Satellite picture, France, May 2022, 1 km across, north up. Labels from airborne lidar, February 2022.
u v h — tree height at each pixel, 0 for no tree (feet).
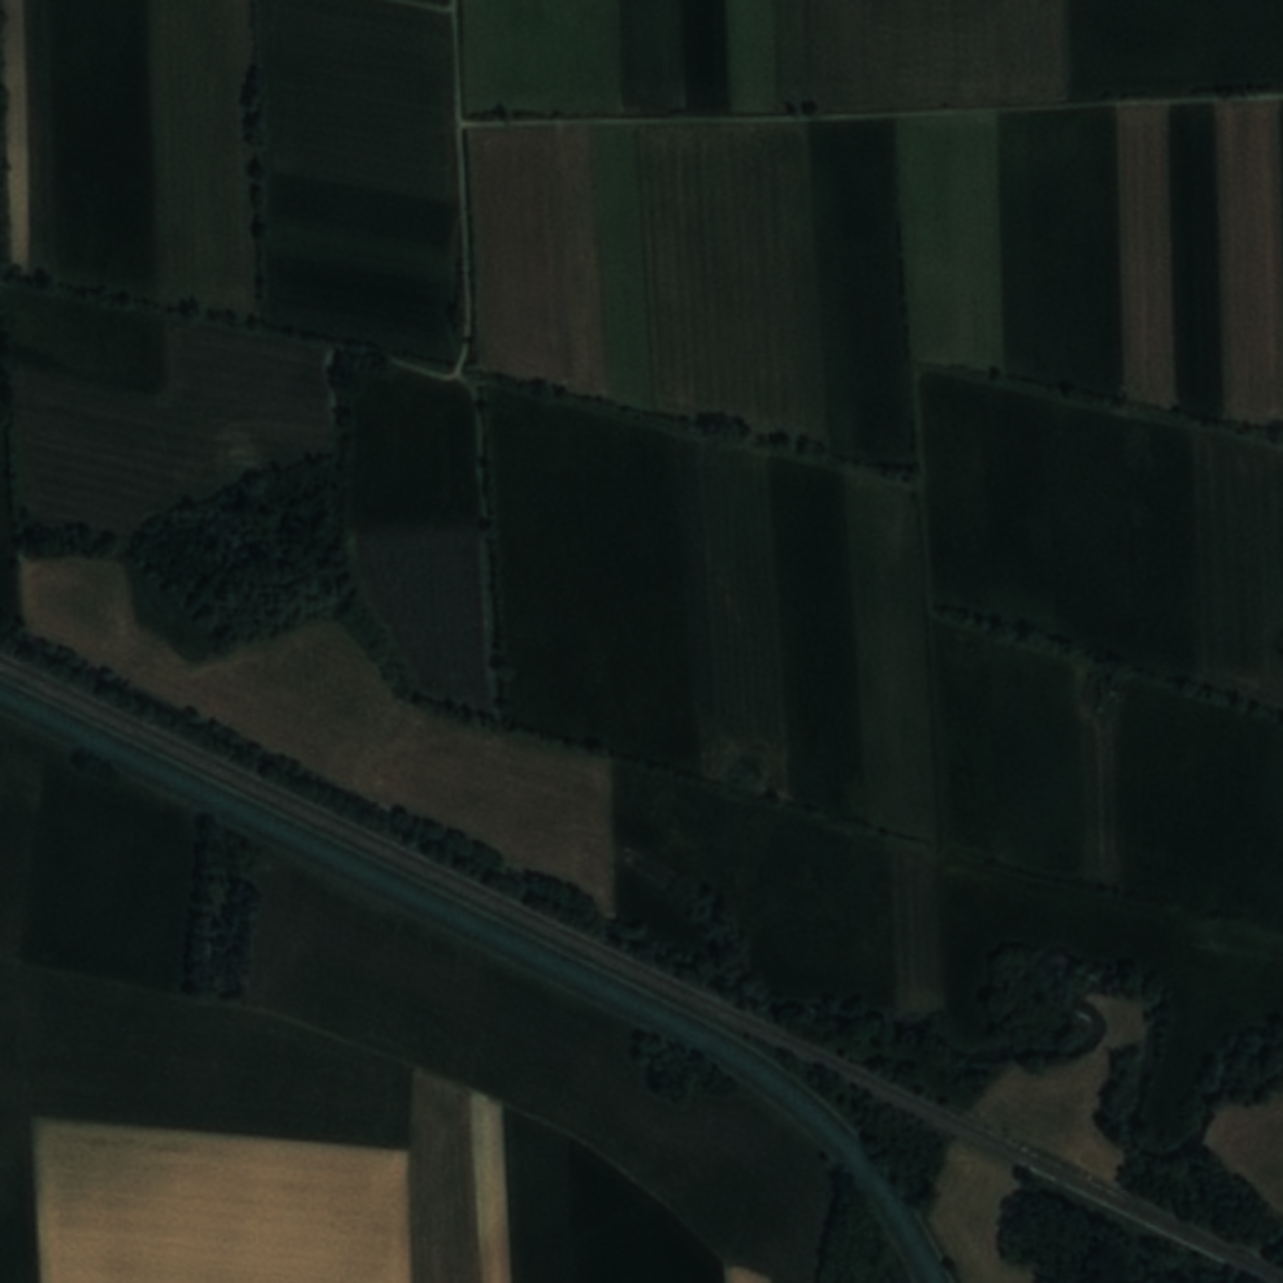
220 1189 0
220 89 0
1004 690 0
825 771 0
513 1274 0
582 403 18
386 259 0
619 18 0
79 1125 0
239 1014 0
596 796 0
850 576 0
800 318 0
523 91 0
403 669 29
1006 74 0
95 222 0
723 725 0
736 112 0
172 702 0
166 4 0
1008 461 0
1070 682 0
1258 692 0
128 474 0
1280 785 0
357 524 0
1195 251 0
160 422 0
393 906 0
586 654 0
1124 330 0
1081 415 0
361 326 0
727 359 0
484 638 0
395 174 0
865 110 0
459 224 0
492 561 22
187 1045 0
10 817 0
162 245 0
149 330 0
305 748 0
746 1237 0
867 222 0
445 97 0
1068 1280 70
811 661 0
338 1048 0
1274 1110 0
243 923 38
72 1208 0
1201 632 0
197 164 0
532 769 0
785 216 0
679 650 0
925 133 0
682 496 0
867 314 0
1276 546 0
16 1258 0
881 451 0
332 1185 0
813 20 0
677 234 0
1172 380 0
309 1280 0
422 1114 0
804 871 0
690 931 0
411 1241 0
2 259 21
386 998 0
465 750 0
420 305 0
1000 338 0
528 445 0
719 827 0
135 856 0
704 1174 0
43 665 32
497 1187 0
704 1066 50
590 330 0
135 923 0
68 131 0
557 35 0
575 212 0
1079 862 0
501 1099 0
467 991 0
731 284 0
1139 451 0
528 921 0
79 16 0
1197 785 0
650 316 0
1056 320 0
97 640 0
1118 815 0
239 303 0
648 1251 0
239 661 0
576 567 0
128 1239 0
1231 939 0
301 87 0
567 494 0
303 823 0
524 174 0
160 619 0
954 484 0
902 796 0
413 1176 0
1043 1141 0
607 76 0
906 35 0
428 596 0
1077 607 0
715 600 0
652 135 0
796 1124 0
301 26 0
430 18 0
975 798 0
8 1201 0
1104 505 0
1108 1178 0
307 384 0
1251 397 0
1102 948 0
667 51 0
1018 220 0
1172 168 0
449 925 0
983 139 0
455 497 0
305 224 0
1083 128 0
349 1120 0
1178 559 0
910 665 0
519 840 0
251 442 0
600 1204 0
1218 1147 0
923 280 0
